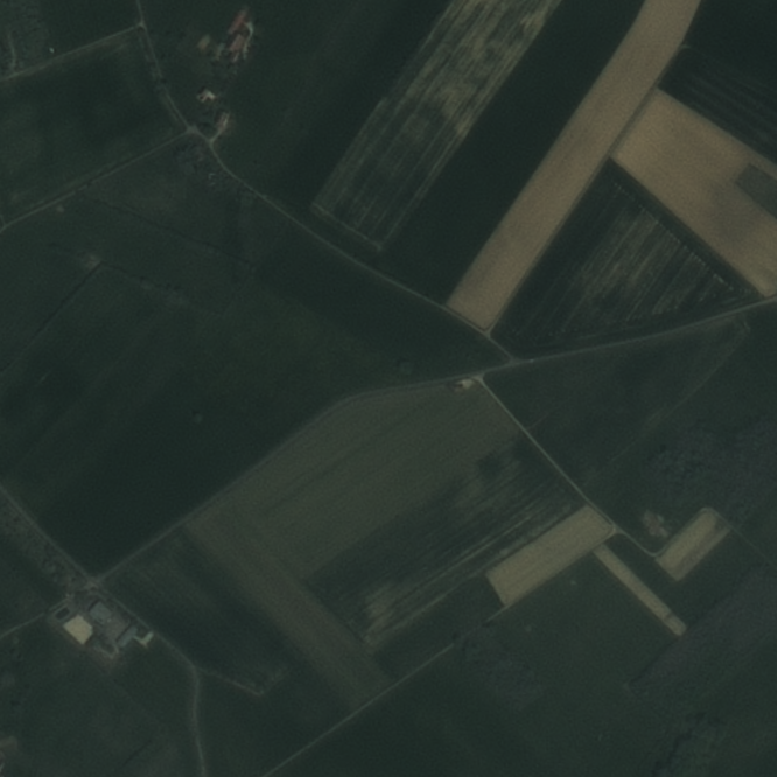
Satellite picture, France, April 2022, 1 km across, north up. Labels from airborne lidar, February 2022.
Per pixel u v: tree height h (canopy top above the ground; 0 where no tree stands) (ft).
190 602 0
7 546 0
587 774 0
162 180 0
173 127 0
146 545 0
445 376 0
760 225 0
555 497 0
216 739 0
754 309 0
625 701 0
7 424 0
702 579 0
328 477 0
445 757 0
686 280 0
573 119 0
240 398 0
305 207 0
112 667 0
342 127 0
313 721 0
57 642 0
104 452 0
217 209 0
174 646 0
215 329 0
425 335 0
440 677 0
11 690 0
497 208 0
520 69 0
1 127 0
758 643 29
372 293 0
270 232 0
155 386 0
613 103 0
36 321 0
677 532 0
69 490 0
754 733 0
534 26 0
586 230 0
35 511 0
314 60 0
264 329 0
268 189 0
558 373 0
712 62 0
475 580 0
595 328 0
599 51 0
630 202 0
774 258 0
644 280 0
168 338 0
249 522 0
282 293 0
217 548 0
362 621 0
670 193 0
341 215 0
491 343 0
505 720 0
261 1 0
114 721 0
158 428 0
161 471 0
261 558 0
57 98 0
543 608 0
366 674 0
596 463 0
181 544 0
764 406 0
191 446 0
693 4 0
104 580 0
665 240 0
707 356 0
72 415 0
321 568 0
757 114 0
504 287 0
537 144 0
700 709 0
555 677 0
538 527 0
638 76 0
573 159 0
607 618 0
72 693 0
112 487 0
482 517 0
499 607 0
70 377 0
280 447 0
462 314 0
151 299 0
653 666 24
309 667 0
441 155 0
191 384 0
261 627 0
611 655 0
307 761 0
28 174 0
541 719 0
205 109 32
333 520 0
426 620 0
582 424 0
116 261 0
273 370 0
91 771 0
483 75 0
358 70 0
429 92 0
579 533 0
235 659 0
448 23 0
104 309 0
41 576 0
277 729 0
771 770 0
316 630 0
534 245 0
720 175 0
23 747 0
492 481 0
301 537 0
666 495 43
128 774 0
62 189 0
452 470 0
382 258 0
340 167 0
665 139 0
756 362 0
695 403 0
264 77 0
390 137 0
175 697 0
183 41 39
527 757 0
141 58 0
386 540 0
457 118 0
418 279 0
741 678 0
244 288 0
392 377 0
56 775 0
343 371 0
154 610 0
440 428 0
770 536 0
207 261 0
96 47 0
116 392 0
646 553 0
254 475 0
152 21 0
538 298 0
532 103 0
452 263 0
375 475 0
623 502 0
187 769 0
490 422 0
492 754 0
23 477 0
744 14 0
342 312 0
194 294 0
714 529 0
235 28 0
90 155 0
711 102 0
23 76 0
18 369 0
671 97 0
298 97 0
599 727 0
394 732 0
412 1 0
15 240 0
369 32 0
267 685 0
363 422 0
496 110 0
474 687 0
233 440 0
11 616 0
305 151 0
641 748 0
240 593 0
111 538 0
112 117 0
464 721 0
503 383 0
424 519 0
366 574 0
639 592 0
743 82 0
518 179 0
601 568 0
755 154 0
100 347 0
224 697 0
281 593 0
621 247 0
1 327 0
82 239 0
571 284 0
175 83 0
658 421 0
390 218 0
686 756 75
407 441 0
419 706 0
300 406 0
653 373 0
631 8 0
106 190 0
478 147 0
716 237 0
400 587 0
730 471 68
